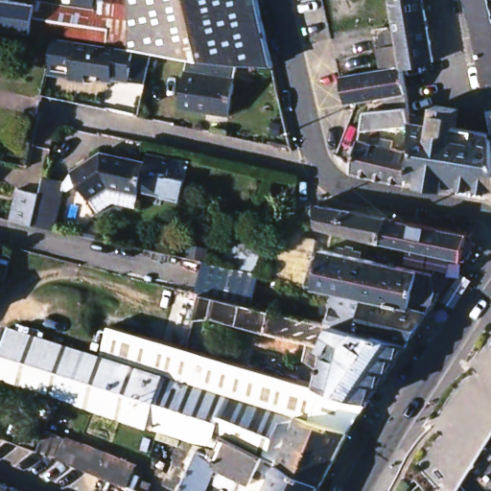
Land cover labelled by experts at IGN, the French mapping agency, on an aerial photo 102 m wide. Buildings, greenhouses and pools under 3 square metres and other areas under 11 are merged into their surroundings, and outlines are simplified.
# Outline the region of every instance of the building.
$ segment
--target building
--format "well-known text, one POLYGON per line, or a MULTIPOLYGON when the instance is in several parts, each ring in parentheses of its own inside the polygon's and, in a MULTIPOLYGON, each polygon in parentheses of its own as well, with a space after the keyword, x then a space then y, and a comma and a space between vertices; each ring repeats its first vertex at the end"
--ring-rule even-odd
POLYGON ((397 219, 391 219, 391 213, 372 215, 362 211, 338 209, 334 207, 330 194, 301 194, 309 222, 315 232, 326 234, 328 244, 353 240, 372 247, 401 251, 405 253, 405 261, 401 267, 397 267, 357 255, 320 249, 315 245, 311 270, 307 272, 305 282, 299 284, 303 290, 324 295, 328 299, 355 299, 355 315, 341 324, 336 324, 332 328, 334 332, 328 334, 311 330, 309 324, 313 322, 280 315, 278 311, 270 311, 267 315, 259 309, 249 309, 228 301, 201 297, 203 292, 221 290, 251 297, 257 280, 253 278, 253 269, 257 265, 257 259, 255 253, 251 253, 245 245, 240 245, 232 247, 234 257, 242 261, 242 267, 238 270, 230 270, 232 263, 228 261, 205 255, 205 247, 188 244, 184 249, 176 251, 175 257, 178 261, 198 263, 196 284, 194 293, 198 295, 198 301, 196 311, 192 315, 192 324, 201 324, 203 320, 211 320, 219 322, 224 328, 236 330, 272 341, 278 336, 297 339, 297 353, 301 353, 301 362, 307 368, 311 368, 311 380, 307 386, 297 386, 292 382, 284 382, 224 362, 203 357, 115 330, 105 330, 96 332, 90 345, 88 353, 82 353, 48 339, 31 336, 29 328, 25 326, 17 326, 15 330, 4 330, 4 336, 0 339, 0 380, 12 386, 27 387, 44 389, 59 401, 82 410, 94 414, 121 424, 155 433, 205 447, 213 437, 213 432, 221 432, 236 435, 247 443, 263 449, 263 455, 269 458, 269 470, 259 479, 263 483, 261 491, 318 491, 322 489, 334 466, 334 460, 338 458, 339 451, 345 443, 345 432, 362 412, 361 405, 364 403, 368 387, 376 386, 374 380, 378 378, 378 374, 386 372, 395 355, 391 343, 387 341, 370 343, 366 339, 353 338, 357 334, 357 324, 389 332, 401 332, 403 339, 412 338, 418 330, 418 322, 430 313, 430 307, 422 307, 422 311, 416 311, 409 307, 410 292, 414 288, 416 276, 428 278, 437 270, 447 274, 451 263, 460 269, 460 249, 464 247, 466 236, 462 232, 441 230, 435 226, 424 226, 420 230, 414 226, 407 226, 399 215, 397 219))
POLYGON ((69 439, 38 439, 33 439, 25 447, 31 451, 31 455, 42 456, 46 466, 61 462, 63 468, 71 466, 81 476, 92 474, 105 481, 115 481, 117 485, 130 485, 130 479, 136 476, 134 464, 127 458, 109 455, 90 445, 69 439))
POLYGON ((186 476, 178 478, 175 491, 219 491, 213 487, 217 476, 224 476, 242 485, 257 481, 255 472, 259 470, 261 460, 228 443, 222 443, 219 458, 213 456, 211 447, 205 447, 205 455, 199 455, 198 451, 186 476))
POLYGON ((439 198, 453 196, 458 190, 474 194, 491 194, 491 117, 487 117, 485 132, 468 132, 456 127, 455 107, 433 107, 430 100, 410 102, 407 98, 405 102, 378 105, 374 107, 374 111, 362 111, 357 121, 359 138, 353 142, 349 171, 345 173, 349 178, 355 178, 359 182, 357 188, 362 190, 416 196, 424 188, 432 194, 437 192, 439 198))
POLYGON ((424 10, 424 0, 387 0, 389 27, 391 48, 382 48, 374 54, 376 63, 382 71, 376 75, 339 79, 338 92, 343 104, 368 102, 374 98, 399 94, 395 82, 397 71, 409 71, 410 63, 416 63, 426 69, 432 61, 449 61, 449 56, 433 56, 430 25, 424 25, 424 21, 428 21, 428 13, 424 10))
POLYGON ((165 82, 165 90, 175 90, 178 109, 207 115, 226 115, 230 115, 234 77, 238 69, 257 71, 259 77, 270 77, 272 59, 257 0, 0 0, 0 46, 4 46, 6 42, 15 42, 15 58, 29 65, 31 69, 44 67, 44 77, 52 77, 58 82, 59 79, 86 82, 90 77, 96 77, 102 82, 132 82, 129 79, 129 67, 123 65, 123 61, 129 58, 130 54, 188 63, 186 71, 175 82, 165 82))
POLYGON ((478 56, 478 88, 491 86, 491 0, 464 0, 460 13, 468 21, 472 50, 478 56))
POLYGON ((19 491, 17 487, 0 483, 0 491, 19 491))
POLYGON ((428 478, 432 483, 433 491, 458 491, 468 472, 474 468, 479 453, 491 439, 491 338, 487 339, 487 345, 476 353, 474 359, 460 361, 462 370, 474 368, 474 374, 462 380, 462 384, 451 393, 449 401, 439 412, 437 418, 426 420, 422 424, 424 432, 432 433, 441 432, 441 437, 428 451, 430 468, 424 470, 424 478, 428 478))
POLYGON ((63 236, 94 236, 96 219, 92 217, 81 217, 81 209, 73 203, 67 192, 61 190, 61 184, 58 180, 50 180, 46 176, 42 178, 42 182, 25 184, 23 190, 15 190, 13 194, 0 192, 0 217, 8 217, 12 224, 10 228, 19 230, 33 224, 44 226, 48 230, 58 226, 63 236))
POLYGON ((119 144, 100 146, 92 150, 88 155, 88 161, 82 163, 81 167, 75 167, 73 175, 69 176, 73 180, 73 186, 84 199, 96 198, 105 190, 130 194, 136 198, 146 196, 175 203, 180 192, 180 184, 186 178, 190 163, 186 159, 169 157, 161 153, 140 152, 138 148, 119 144))

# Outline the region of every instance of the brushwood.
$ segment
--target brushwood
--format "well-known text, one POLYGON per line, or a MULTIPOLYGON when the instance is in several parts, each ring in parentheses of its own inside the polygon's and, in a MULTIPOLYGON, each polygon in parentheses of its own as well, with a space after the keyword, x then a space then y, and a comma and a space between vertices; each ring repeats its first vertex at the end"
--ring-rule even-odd
POLYGON ((226 115, 207 115, 207 119, 203 121, 186 121, 157 111, 153 119, 175 123, 178 127, 186 129, 213 132, 219 130, 219 123, 226 123, 226 115))
POLYGON ((439 397, 433 399, 433 410, 439 412, 449 401, 451 393, 462 384, 462 380, 474 374, 474 368, 462 370, 456 376, 455 382, 451 382, 439 397))
POLYGON ((58 82, 52 77, 44 77, 40 96, 40 104, 23 109, 23 117, 29 119, 29 165, 38 163, 42 148, 50 148, 52 165, 46 176, 50 180, 58 180, 61 184, 65 176, 65 159, 77 150, 79 138, 67 140, 65 136, 79 130, 82 121, 77 119, 79 104, 107 107, 107 100, 111 94, 71 92, 59 88, 58 82))
POLYGON ((40 409, 21 399, 21 393, 27 387, 12 386, 0 380, 0 439, 15 443, 17 447, 25 447, 33 439, 38 439, 35 422, 40 418, 40 409))
POLYGON ((105 330, 107 315, 104 305, 100 303, 90 307, 90 330, 96 332, 105 330))
POLYGON ((251 201, 265 201, 272 184, 295 186, 299 182, 295 176, 286 173, 267 171, 163 144, 140 142, 138 148, 140 152, 161 153, 169 157, 186 159, 190 163, 213 173, 234 176, 234 188, 240 192, 240 198, 251 201))
POLYGON ((207 353, 203 357, 224 362, 228 355, 240 355, 238 341, 234 338, 236 330, 224 328, 219 322, 211 320, 203 320, 201 324, 201 336, 207 347, 207 353))
POLYGON ((412 458, 412 466, 405 476, 403 485, 395 483, 393 491, 433 491, 432 483, 428 478, 424 478, 424 470, 430 468, 428 451, 441 437, 441 432, 432 433, 424 441, 420 453, 412 458))
POLYGON ((324 295, 303 290, 299 284, 284 278, 280 272, 272 272, 270 265, 274 259, 257 259, 257 265, 253 269, 253 278, 257 280, 270 284, 270 288, 276 293, 284 293, 295 299, 305 299, 313 307, 324 307, 328 299, 324 295))

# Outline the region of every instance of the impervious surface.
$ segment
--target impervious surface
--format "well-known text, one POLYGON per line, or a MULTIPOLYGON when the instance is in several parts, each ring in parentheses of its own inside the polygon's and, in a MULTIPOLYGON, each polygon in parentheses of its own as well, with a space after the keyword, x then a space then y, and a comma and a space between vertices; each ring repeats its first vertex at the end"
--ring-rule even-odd
POLYGON ((82 259, 86 263, 107 270, 125 272, 132 278, 161 284, 196 284, 198 263, 178 261, 175 257, 157 251, 146 251, 134 257, 127 255, 125 251, 104 253, 100 245, 94 244, 94 236, 63 236, 58 226, 48 230, 44 226, 33 224, 19 230, 10 228, 12 224, 8 217, 0 217, 0 320, 4 318, 12 303, 29 297, 29 293, 33 292, 33 286, 38 282, 38 274, 35 270, 29 269, 27 259, 33 245, 73 259, 82 259))
POLYGON ((424 21, 424 25, 430 25, 433 56, 449 56, 449 61, 432 61, 426 69, 416 63, 410 63, 409 71, 397 71, 395 82, 399 94, 374 98, 368 102, 343 104, 338 92, 339 79, 376 75, 382 71, 376 63, 374 54, 382 48, 391 48, 389 27, 355 29, 330 38, 330 31, 316 31, 316 23, 324 21, 326 15, 315 0, 257 0, 272 59, 270 77, 270 84, 276 84, 278 90, 288 134, 303 136, 301 148, 292 150, 274 144, 251 142, 228 136, 224 130, 219 130, 213 132, 186 129, 178 127, 175 123, 153 119, 144 119, 148 115, 148 109, 140 104, 140 96, 144 86, 132 82, 102 82, 96 77, 90 77, 86 82, 59 79, 58 82, 59 88, 71 92, 111 94, 107 100, 107 107, 79 104, 77 119, 82 121, 79 130, 88 134, 117 136, 121 138, 119 144, 138 148, 140 142, 163 144, 267 171, 286 173, 295 176, 299 182, 301 194, 330 194, 334 207, 338 209, 362 211, 372 215, 391 213, 391 219, 397 219, 399 215, 407 226, 414 226, 420 230, 424 226, 435 226, 441 230, 462 232, 466 236, 464 247, 460 249, 460 269, 451 263, 447 274, 437 270, 428 278, 416 276, 414 288, 410 292, 409 307, 416 311, 422 311, 422 307, 430 307, 430 313, 418 322, 418 330, 412 338, 403 339, 401 332, 389 332, 357 324, 357 334, 353 338, 366 339, 370 343, 387 341, 391 343, 395 355, 386 372, 378 374, 378 378, 374 380, 376 386, 368 387, 364 403, 361 405, 362 412, 345 432, 345 443, 339 451, 338 458, 334 460, 334 466, 322 489, 318 491, 393 491, 395 483, 403 485, 405 476, 412 466, 412 458, 420 453, 424 441, 432 433, 424 432, 422 424, 426 420, 437 418, 439 412, 433 410, 433 399, 439 397, 451 382, 455 382, 456 376, 462 370, 460 361, 474 359, 476 353, 487 345, 487 339, 491 338, 491 194, 474 194, 458 190, 453 196, 439 198, 437 192, 432 194, 424 188, 416 196, 362 190, 357 188, 359 182, 355 178, 349 178, 345 173, 349 171, 353 142, 359 138, 357 121, 362 111, 374 111, 374 107, 378 105, 405 102, 407 98, 410 102, 430 100, 433 107, 455 107, 456 127, 468 132, 485 132, 487 117, 491 117, 491 86, 478 88, 478 56, 472 50, 468 21, 460 13, 464 0, 424 0, 424 10, 428 13, 428 21, 424 21))
POLYGON ((73 186, 73 180, 69 176, 65 176, 61 184, 61 190, 67 192, 73 203, 81 209, 81 217, 92 217, 107 205, 127 209, 132 207, 136 198, 130 194, 105 190, 96 198, 84 199, 73 186))
POLYGON ((307 272, 311 270, 315 245, 320 249, 357 255, 397 267, 401 267, 405 261, 405 253, 401 251, 372 247, 353 240, 328 244, 326 234, 315 232, 309 222, 305 222, 301 228, 307 240, 292 251, 280 253, 280 257, 274 259, 270 265, 272 272, 280 272, 284 278, 299 284, 305 282, 307 272))
POLYGON ((73 432, 71 420, 77 418, 82 410, 59 401, 44 389, 27 387, 21 393, 21 399, 40 409, 40 418, 35 422, 38 439, 69 439, 69 432, 73 432))
POLYGON ((474 468, 468 472, 458 491, 491 491, 491 439, 479 453, 474 468))
POLYGON ((121 424, 94 414, 88 422, 88 435, 113 443, 115 430, 121 424))
POLYGON ((263 483, 259 479, 269 470, 269 458, 263 455, 263 449, 247 443, 236 435, 221 432, 213 432, 213 437, 205 447, 211 447, 213 456, 219 458, 222 443, 228 443, 261 460, 259 470, 255 472, 257 481, 242 485, 224 476, 217 476, 213 487, 219 491, 261 491, 263 483))
POLYGON ((176 295, 171 320, 138 313, 127 320, 117 322, 115 330, 203 357, 207 353, 207 347, 201 336, 201 324, 192 324, 192 315, 196 311, 198 301, 198 295, 194 293, 176 295))
POLYGON ((341 324, 355 315, 355 299, 328 299, 324 307, 322 322, 313 322, 309 324, 311 330, 328 334, 334 332, 332 328, 336 324, 341 324))
POLYGON ((228 355, 224 362, 284 382, 292 382, 297 386, 307 386, 311 380, 311 368, 307 368, 301 362, 301 353, 297 353, 297 339, 278 336, 272 341, 236 330, 234 338, 238 341, 240 355, 228 355))
POLYGON ((175 491, 178 478, 186 476, 198 451, 199 455, 205 455, 205 447, 155 433, 157 441, 150 445, 148 439, 142 439, 140 451, 155 468, 157 478, 148 483, 136 476, 130 479, 130 485, 117 485, 115 481, 105 481, 92 474, 81 476, 71 466, 63 468, 61 462, 46 466, 42 456, 31 455, 31 451, 25 447, 17 447, 15 443, 0 439, 0 483, 17 487, 19 491, 175 491))

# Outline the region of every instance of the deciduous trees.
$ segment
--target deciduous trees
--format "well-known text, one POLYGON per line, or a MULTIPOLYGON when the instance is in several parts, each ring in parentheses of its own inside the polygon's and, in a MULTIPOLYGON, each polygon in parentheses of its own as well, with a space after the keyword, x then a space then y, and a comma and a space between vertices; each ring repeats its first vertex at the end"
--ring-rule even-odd
POLYGON ((180 221, 178 226, 165 224, 165 219, 161 219, 159 215, 150 221, 142 219, 132 207, 127 209, 107 205, 92 217, 96 219, 94 236, 94 244, 100 245, 104 253, 125 251, 127 255, 134 257, 146 251, 157 251, 175 257, 176 251, 184 249, 188 244, 205 247, 211 245, 226 251, 230 238, 238 238, 240 245, 245 245, 251 253, 255 253, 257 259, 274 259, 280 257, 280 253, 292 251, 307 240, 301 228, 305 222, 309 222, 301 194, 299 182, 295 186, 272 184, 265 201, 251 201, 236 221, 226 217, 215 203, 203 198, 201 190, 196 186, 188 188, 180 184, 180 192, 175 203, 176 217, 180 221))
POLYGON ((31 69, 29 65, 15 58, 15 42, 6 42, 4 46, 0 46, 0 75, 8 79, 21 79, 31 69))

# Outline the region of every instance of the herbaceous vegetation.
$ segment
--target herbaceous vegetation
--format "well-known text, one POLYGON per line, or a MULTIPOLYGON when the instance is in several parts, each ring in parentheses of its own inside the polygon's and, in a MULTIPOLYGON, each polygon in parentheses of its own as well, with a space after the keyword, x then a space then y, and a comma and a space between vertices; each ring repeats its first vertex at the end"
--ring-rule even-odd
POLYGON ((238 238, 230 238, 226 251, 211 245, 205 247, 205 255, 228 261, 232 263, 230 270, 238 270, 242 267, 242 261, 234 257, 232 247, 240 245, 238 238))
POLYGON ((161 219, 165 219, 165 224, 178 226, 180 221, 176 217, 175 203, 146 196, 136 198, 132 207, 142 219, 150 221, 159 215, 161 219))
POLYGON ((276 293, 270 288, 270 284, 257 280, 251 297, 221 290, 203 292, 201 297, 228 301, 249 309, 259 309, 267 315, 270 311, 278 311, 280 315, 313 322, 322 322, 324 307, 313 307, 305 299, 295 299, 284 293, 276 293))
POLYGON ((270 77, 259 77, 257 71, 238 69, 234 77, 230 115, 226 115, 226 123, 219 123, 219 130, 224 130, 228 136, 251 142, 274 144, 292 150, 301 148, 303 136, 288 134, 278 90, 276 84, 270 84, 270 77))
POLYGON ((150 445, 157 441, 155 433, 121 424, 115 430, 113 443, 88 435, 88 422, 94 414, 82 410, 77 418, 71 420, 73 432, 69 432, 69 439, 90 445, 109 455, 127 458, 134 464, 136 476, 148 483, 157 478, 155 468, 140 451, 142 439, 148 439, 150 445))
POLYGON ((136 292, 148 295, 161 293, 165 290, 161 284, 132 278, 125 272, 107 270, 104 278, 123 284, 136 292))
POLYGON ((0 107, 0 182, 12 173, 13 169, 29 165, 29 119, 23 117, 23 109, 0 107))
POLYGON ((44 269, 59 269, 65 265, 84 267, 86 263, 82 259, 73 259, 33 245, 27 259, 29 269, 35 270, 38 274, 44 269))
POLYGON ((69 330, 65 330, 65 334, 71 338, 84 339, 90 345, 96 332, 90 330, 90 307, 100 303, 104 305, 107 315, 111 315, 119 305, 119 299, 109 290, 67 280, 44 284, 48 297, 67 297, 67 313, 63 316, 71 320, 71 326, 69 330))
POLYGON ((334 0, 315 0, 326 15, 324 21, 316 23, 316 31, 330 31, 330 38, 355 29, 389 27, 387 0, 353 0, 357 4, 355 15, 334 19, 334 0))
POLYGON ((8 79, 8 92, 21 96, 40 96, 44 77, 44 67, 31 69, 21 79, 8 79))
POLYGON ((196 186, 201 190, 203 198, 215 203, 226 217, 236 221, 251 201, 240 198, 240 192, 234 188, 234 176, 213 173, 190 163, 186 178, 180 184, 188 188, 196 186))

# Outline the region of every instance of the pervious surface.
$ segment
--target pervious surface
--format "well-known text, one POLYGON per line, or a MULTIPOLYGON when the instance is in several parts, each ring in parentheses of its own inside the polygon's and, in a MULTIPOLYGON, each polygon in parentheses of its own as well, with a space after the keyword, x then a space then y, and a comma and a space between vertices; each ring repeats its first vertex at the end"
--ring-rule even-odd
POLYGON ((67 140, 79 138, 77 150, 65 159, 65 176, 69 176, 73 175, 75 167, 81 167, 82 163, 88 161, 88 155, 92 150, 100 146, 119 144, 121 138, 117 136, 88 134, 79 130, 65 136, 67 140))
POLYGON ((130 54, 129 58, 123 61, 123 65, 129 67, 129 79, 132 82, 144 86, 140 96, 140 104, 148 109, 148 115, 144 119, 153 119, 157 111, 186 121, 203 121, 207 119, 207 115, 178 109, 175 90, 165 90, 165 82, 175 82, 186 71, 188 63, 130 54))
POLYGON ((13 194, 15 190, 23 190, 25 184, 42 182, 42 178, 46 176, 52 165, 50 148, 42 148, 38 163, 29 165, 13 169, 12 173, 0 182, 0 192, 13 194))
POLYGON ((0 107, 23 109, 40 104, 40 96, 21 96, 8 92, 8 79, 0 75, 0 107))
POLYGON ((38 274, 38 282, 33 286, 33 292, 29 293, 29 297, 12 303, 4 318, 0 320, 0 339, 4 336, 4 330, 15 330, 17 326, 25 326, 29 328, 31 336, 48 339, 82 353, 88 353, 90 345, 84 339, 71 338, 65 334, 65 330, 69 330, 71 326, 71 320, 63 316, 67 313, 67 297, 48 297, 44 284, 67 280, 109 290, 119 299, 119 305, 111 315, 107 315, 105 330, 115 330, 117 322, 127 320, 138 313, 171 320, 176 295, 194 293, 196 284, 161 284, 165 290, 161 293, 148 295, 136 292, 123 284, 104 278, 107 270, 86 263, 84 267, 65 265, 59 269, 44 269, 38 274))
POLYGON ((355 15, 357 4, 353 0, 334 0, 334 19, 355 15))

